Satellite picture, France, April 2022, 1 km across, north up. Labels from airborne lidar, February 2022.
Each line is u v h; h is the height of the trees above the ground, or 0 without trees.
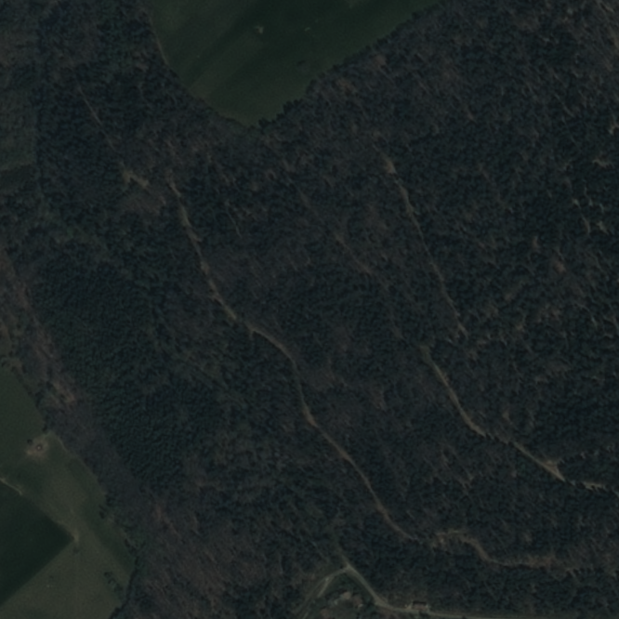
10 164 23
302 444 29
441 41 28
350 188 29
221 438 25
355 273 23
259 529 27
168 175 24
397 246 25
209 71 0
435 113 7
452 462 25
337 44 0
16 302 30
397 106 27
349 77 17
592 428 17
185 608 30
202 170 24
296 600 32
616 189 14
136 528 27
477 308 20
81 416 31
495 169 29
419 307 19
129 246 38
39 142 24
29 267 30
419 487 25
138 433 23
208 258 24
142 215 26
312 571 26
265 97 0
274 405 29
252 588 29
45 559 0
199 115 23
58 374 35
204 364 28
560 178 21
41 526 0
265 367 24
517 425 26
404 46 28
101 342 14
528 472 28
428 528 24
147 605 27
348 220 25
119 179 27
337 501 23
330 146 27
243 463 29
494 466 25
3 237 33
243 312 28
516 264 22
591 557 26
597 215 20
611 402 24
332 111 28
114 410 19
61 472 0
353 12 0
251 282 25
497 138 26
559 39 13
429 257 21
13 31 17
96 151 28
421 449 30
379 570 18
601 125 22
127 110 7
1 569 0
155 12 15
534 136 26
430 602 12
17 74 28
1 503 0
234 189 17
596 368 29
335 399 30
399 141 28
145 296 20
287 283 28
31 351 23
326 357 24
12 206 20
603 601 33
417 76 27
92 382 22
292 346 27
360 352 28
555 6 11
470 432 24
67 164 10
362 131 22
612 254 15
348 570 0
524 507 26
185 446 25
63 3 15
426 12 0
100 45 28
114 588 8
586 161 19
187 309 25
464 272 24
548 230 22
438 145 26
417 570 24
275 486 27
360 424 27
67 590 0
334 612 0
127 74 32
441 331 27
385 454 24
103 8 25
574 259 28
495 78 18
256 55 0
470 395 27
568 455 19
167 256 28
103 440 33
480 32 32
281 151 26
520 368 10
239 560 29
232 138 32
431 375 21
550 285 26
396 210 26
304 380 23
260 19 0
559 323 28
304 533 13
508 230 30
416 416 27
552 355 14
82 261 20
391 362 21
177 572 33
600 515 27
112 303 23
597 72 27
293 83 0
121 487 26
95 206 24
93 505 0
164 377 26
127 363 23
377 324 26
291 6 0
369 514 20
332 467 30
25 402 0
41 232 14
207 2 0
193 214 29
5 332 0
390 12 0
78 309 22
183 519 34
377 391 25
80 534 0
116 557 0
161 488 20
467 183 26
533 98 27
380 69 31
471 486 24
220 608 22
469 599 33
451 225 21
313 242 23
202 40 0
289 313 25
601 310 15
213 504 25
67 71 9
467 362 27
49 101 38
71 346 13
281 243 26
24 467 0
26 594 0
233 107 0
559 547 27
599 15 23
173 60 0
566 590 32
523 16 22
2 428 0
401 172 19
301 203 28
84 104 10
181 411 16
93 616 0
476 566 32
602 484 17
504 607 28
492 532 27
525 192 21
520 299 16
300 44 0
